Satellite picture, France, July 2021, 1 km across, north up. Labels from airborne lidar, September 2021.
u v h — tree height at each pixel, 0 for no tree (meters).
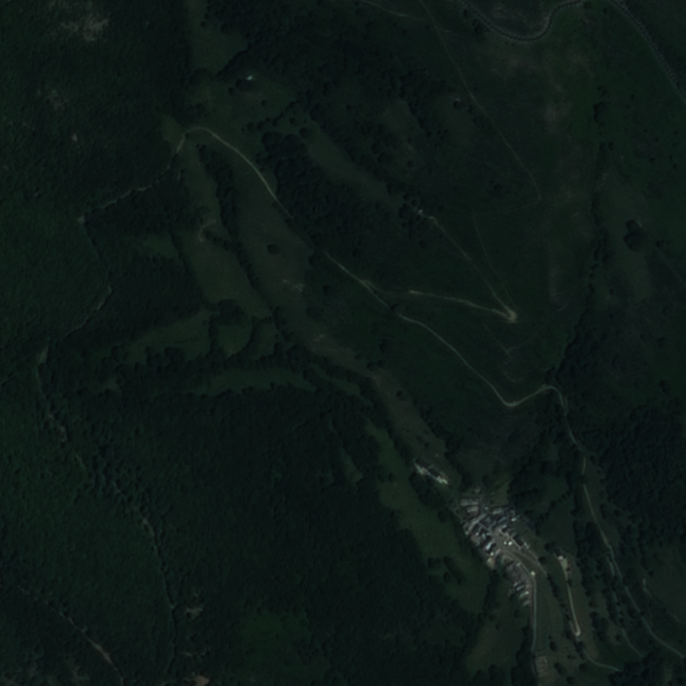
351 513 21
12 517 30
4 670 12
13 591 17
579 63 0
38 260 24
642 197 0
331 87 16
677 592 0
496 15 0
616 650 0
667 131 0
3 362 16
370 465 21
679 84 9
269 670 0
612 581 11
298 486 19
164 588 25
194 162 0
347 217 16
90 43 8
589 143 0
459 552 0
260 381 0
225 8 11
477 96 0
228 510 23
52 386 19
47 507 30
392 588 15
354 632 18
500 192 15
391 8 0
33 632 12
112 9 11
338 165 0
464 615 16
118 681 12
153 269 15
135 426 34
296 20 18
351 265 6
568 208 0
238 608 12
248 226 0
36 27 12
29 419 33
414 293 0
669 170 0
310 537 18
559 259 0
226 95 0
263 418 15
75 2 6
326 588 19
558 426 13
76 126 13
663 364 0
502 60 0
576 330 12
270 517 19
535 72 0
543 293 0
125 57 17
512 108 0
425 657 16
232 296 0
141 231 21
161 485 26
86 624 21
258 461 12
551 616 0
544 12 0
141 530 20
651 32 8
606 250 22
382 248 0
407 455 18
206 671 24
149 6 24
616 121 0
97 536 26
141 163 16
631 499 18
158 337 0
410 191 12
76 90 15
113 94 19
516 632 0
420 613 15
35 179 17
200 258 0
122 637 22
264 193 0
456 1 0
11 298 18
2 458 23
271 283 0
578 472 8
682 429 10
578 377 12
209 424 28
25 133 16
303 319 0
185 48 12
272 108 0
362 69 18
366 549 22
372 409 11
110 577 25
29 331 21
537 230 0
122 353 15
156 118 17
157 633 23
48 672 15
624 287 0
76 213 21
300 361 21
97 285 20
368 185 0
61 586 24
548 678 0
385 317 6
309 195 17
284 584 21
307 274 6
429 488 19
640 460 14
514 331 0
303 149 14
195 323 0
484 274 0
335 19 6
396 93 9
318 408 14
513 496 7
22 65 24
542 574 0
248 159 0
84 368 16
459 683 17
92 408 29
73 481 23
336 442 22
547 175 0
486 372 0
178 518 19
